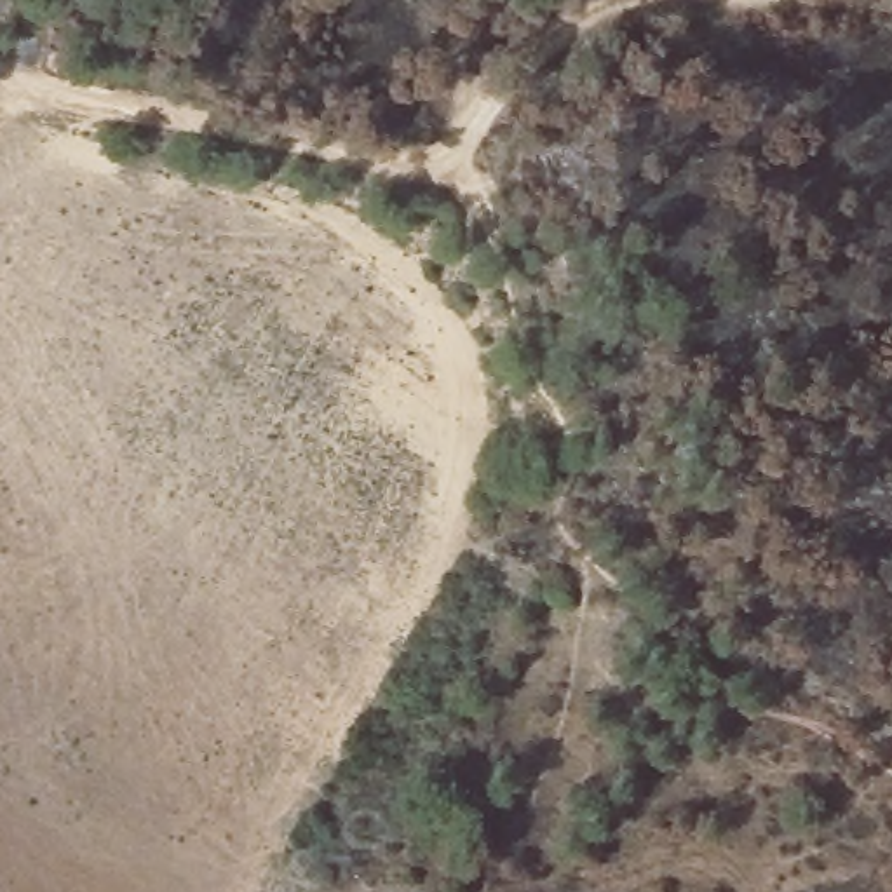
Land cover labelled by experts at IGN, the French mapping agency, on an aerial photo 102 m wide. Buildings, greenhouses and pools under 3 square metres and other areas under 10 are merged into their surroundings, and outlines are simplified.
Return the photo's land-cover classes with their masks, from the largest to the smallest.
<instances>
[{"label":"coniferous trees","instance_id":"1","mask_svg":"<svg viewBox=\"0 0 892 892\"><path fill-rule=\"evenodd\" d=\"M568 0H0V80L10 77L17 66L84 87L94 84L108 91L160 94L178 105L206 112V125L199 132L167 129L160 112L101 122L98 143L108 160L129 164L150 157L153 164H164L171 174H181L188 181H216L237 192L254 188L261 181H275L296 188L303 202H331L341 213L366 220L376 233L390 237L404 254H415L422 261L425 279L439 289L446 307L460 314L463 331L477 341L495 429L488 432L477 453L467 509L470 519L491 537L495 558L484 561L481 554L463 551L456 564L443 575L436 599L415 620L408 641L394 655V666L383 676L376 700L348 728L341 760L324 781L321 798L324 805H335L341 829L331 836L328 829H321L314 843L300 850V864L307 868V875L328 878L335 889L355 882H422L429 892H578L582 868H589L592 861L606 864L620 854V829H606L599 815L617 801L631 798V767L648 760L659 774H666L672 760L714 763L728 749L735 753L746 721H767L770 707H784L791 693L805 686L794 666L805 662V648L840 641L850 631L847 606H864L868 620L875 624V638L864 641L854 666L861 672V683H885L892 690V328L875 321L882 261L864 237L878 230L875 202H864L854 192H847L854 171L833 157V143L840 139V132L857 129L885 101H892V0H624L627 14L599 28L578 31L575 24L561 21V7ZM481 91L505 105V112L481 136L474 153V167L495 181V195H460L456 188L439 185L429 174L390 178L369 171V164L380 160L390 146H453L460 139V129H453L449 118L463 112ZM558 526H568L589 547V554L617 575V585L592 589V603L620 606L627 613V620L613 631L617 683L599 697V721L624 728V756L606 770L592 774L589 781H582L564 760L561 767L540 774L530 798V836L551 861V875L530 878L509 861L488 854L481 819L460 808L456 801H446L439 787L429 784V763L432 756H456L463 749L488 753V794L498 808H505L512 805V784L505 774L516 753L537 739H554V721L568 679H554L551 693H544L526 679V672L533 662L547 655V641L554 634L551 613L575 610L582 599L578 568H571L568 561H551ZM509 558L533 564L537 578L530 585V596H516L505 585L502 568L509 564Z\"/></svg>","mask_w":892,"mask_h":892},{"label":"agricultural land","instance_id":"2","mask_svg":"<svg viewBox=\"0 0 892 892\"><path fill-rule=\"evenodd\" d=\"M160 112L167 129L199 132L206 125V112L178 105L160 94L108 91L94 84L84 87L17 66L10 77L0 80V892H258L268 871V857L282 854V847L289 843L300 812L321 798L324 781L341 760L348 728L376 700L383 676L394 666V655L408 641L415 620L436 599L443 575L456 564L463 551L481 554L484 561L495 558L491 537L470 519L467 509L477 453L488 432L495 429L477 341L463 331L460 314L446 307L439 289L425 279L422 261L415 254H404L390 237L376 233L366 220L341 213L331 202H303L296 188L275 181H261L254 188L237 192L216 181H188L181 174H171L164 164H153L150 157L129 164L108 160L98 143L101 122Z\"/></svg>","mask_w":892,"mask_h":892},{"label":"bare soil","instance_id":"3","mask_svg":"<svg viewBox=\"0 0 892 892\"><path fill-rule=\"evenodd\" d=\"M833 157L854 171L847 192H854L864 202H875L878 230L864 237L882 261L875 321L892 328V101H885L857 129L840 132V139L833 143ZM551 561H568L571 568H578L582 599L575 610L551 613L554 634L547 641V655L533 662L526 672V679L544 693H551L554 679H568L554 721V739H537L516 753L505 774L512 784V805L505 808H498L488 794V753L463 749L456 756H432L429 763V784L439 787L446 801H456L460 808L481 819L488 854L509 861L530 878L551 875V861L530 836V798L540 774L561 767L564 760L582 781H589L592 774L606 770L624 756V728L599 721V697L617 683L613 631L627 620V613L620 606L592 603V589L617 585V575L589 554V547L568 526H558ZM505 585L516 596H530V585L537 578L533 564L509 558V564L502 568ZM850 631L840 641L805 648V662L794 666L805 686L791 693L784 707H770L767 721H746L735 753L728 749L714 763L672 760L666 774H659L648 760L631 767V798L617 801L599 815L606 829H620V854L606 864L592 861L589 868H582L578 892H892V690L885 683H861V672L854 666L864 641L875 638V624L868 620L864 606H847ZM258 892H429L422 882H355L335 889L328 878L307 875V868L300 864V850L289 843L282 847V854L268 857V871Z\"/></svg>","mask_w":892,"mask_h":892},{"label":"pervious surface","instance_id":"4","mask_svg":"<svg viewBox=\"0 0 892 892\"><path fill-rule=\"evenodd\" d=\"M627 14L624 0H568L561 7V21L575 24L578 31L599 28ZM505 112V105L481 91L463 112L449 118L453 129H460V139L453 146H390L380 160L369 164V171L390 178L429 174L439 185L456 188L460 195H495V181L474 167V153L481 136Z\"/></svg>","mask_w":892,"mask_h":892},{"label":"brushwood","instance_id":"5","mask_svg":"<svg viewBox=\"0 0 892 892\"><path fill-rule=\"evenodd\" d=\"M321 829H328L331 836L341 829L335 805H324L321 798L300 812L289 843L300 850L314 843Z\"/></svg>","mask_w":892,"mask_h":892}]
</instances>
